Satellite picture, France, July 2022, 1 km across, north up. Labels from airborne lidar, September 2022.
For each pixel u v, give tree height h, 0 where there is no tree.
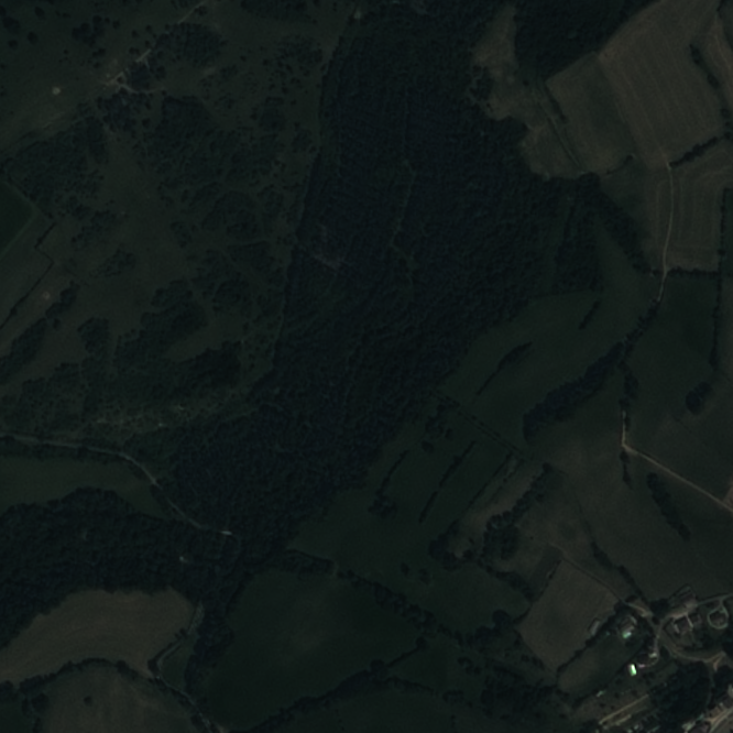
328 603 0
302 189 6
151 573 22
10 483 0
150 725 0
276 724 15
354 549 0
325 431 13
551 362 0
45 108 0
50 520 16
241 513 9
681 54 0
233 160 7
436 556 17
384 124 9
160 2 0
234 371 9
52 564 10
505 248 13
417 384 21
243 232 7
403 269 15
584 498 0
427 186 22
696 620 0
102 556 15
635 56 0
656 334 0
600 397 0
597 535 0
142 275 0
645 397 0
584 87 0
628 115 0
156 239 0
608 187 0
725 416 0
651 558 0
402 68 7
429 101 13
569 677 0
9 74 0
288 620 0
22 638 0
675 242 0
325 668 0
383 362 7
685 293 0
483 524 0
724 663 0
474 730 0
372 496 0
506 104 0
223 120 0
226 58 0
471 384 0
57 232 0
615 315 0
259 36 0
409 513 0
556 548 0
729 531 0
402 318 13
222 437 14
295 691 0
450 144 20
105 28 7
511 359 8
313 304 7
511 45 0
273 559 14
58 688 0
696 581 0
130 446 13
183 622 0
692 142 0
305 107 0
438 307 20
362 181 19
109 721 0
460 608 0
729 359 0
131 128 10
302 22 6
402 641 0
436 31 8
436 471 0
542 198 10
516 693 14
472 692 0
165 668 0
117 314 0
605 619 0
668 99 0
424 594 0
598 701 0
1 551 7
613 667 0
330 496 20
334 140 6
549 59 8
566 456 0
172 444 9
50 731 0
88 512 14
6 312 0
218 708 0
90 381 6
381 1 11
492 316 18
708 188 0
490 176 20
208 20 0
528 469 0
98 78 0
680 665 12
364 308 20
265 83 0
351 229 20
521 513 10
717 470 0
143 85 10
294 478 25
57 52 0
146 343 6
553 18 11
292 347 15
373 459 17
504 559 5
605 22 9
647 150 0
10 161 8
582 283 9
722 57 0
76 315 0
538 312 0
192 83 0
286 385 17
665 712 12
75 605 0
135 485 0
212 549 11
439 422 7
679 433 0
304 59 9
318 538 0
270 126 5
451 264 24
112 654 0
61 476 0
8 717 0
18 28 16
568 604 0
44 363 0
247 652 0
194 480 23
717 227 0
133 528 17
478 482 0
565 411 22
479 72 11
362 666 0
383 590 18
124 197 0
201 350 0
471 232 23
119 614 0
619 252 0
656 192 0
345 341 15
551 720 0
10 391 0
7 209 0
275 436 16
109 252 0
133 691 0
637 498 0
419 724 0
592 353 0
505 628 22
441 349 18
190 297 11
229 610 21
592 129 0
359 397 10
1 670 0
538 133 0
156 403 6
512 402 0
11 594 21
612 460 0
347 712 0
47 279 0
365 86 18
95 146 6
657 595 0
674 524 18
